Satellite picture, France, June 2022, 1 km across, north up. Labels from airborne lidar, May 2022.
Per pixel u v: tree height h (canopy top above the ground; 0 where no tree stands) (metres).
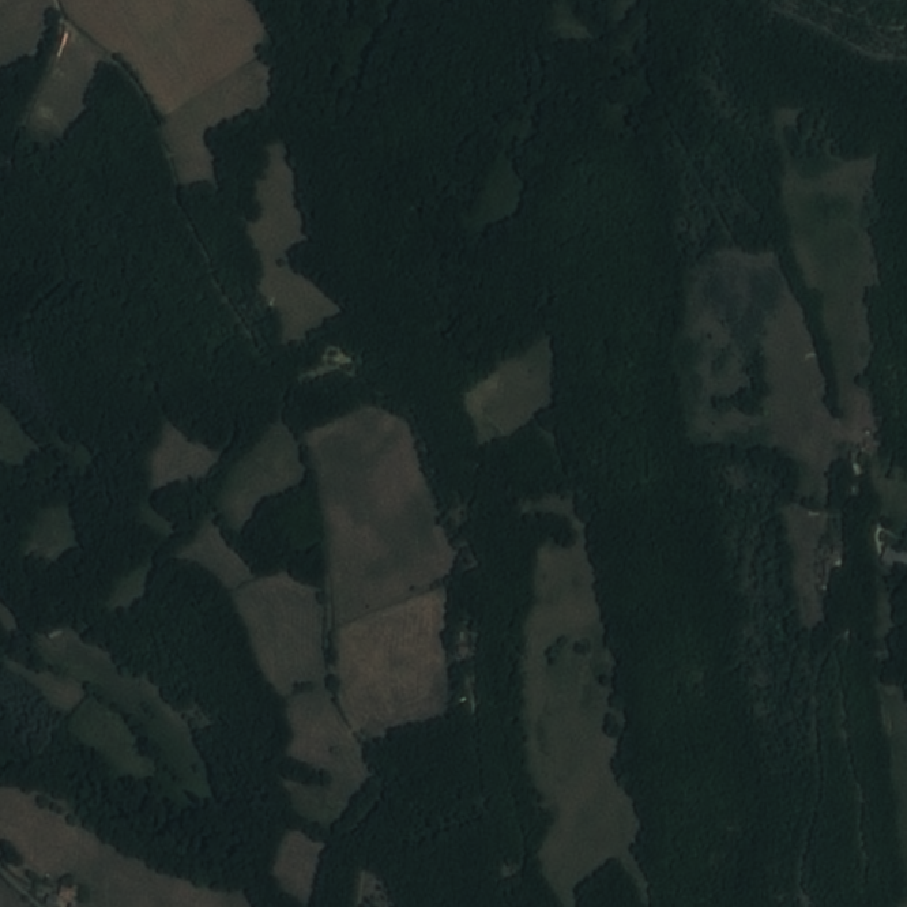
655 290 12
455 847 17
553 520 19
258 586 0
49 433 14
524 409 0
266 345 11
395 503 0
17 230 18
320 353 11
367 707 0
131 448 20
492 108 25
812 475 0
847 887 8
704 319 0
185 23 0
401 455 0
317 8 18
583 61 16
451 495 13
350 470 0
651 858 17
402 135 11
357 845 16
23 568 18
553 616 0
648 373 14
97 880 0
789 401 0
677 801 10
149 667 14
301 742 0
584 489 18
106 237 18
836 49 9
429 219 26
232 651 13
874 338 10
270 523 16
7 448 0
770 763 9
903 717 0
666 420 16
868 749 11
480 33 19
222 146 17
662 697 12
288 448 0
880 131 10
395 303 16
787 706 10
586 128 21
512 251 17
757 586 8
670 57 26
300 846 0
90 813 19
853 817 9
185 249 13
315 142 21
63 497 18
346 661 0
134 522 19
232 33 0
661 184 17
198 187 16
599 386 19
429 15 21
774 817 10
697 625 11
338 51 23
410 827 18
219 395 17
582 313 19
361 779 0
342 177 19
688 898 13
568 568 0
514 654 16
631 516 20
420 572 0
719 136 13
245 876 22
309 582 16
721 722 16
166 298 20
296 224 0
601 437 11
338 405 14
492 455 13
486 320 25
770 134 8
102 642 16
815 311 13
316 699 0
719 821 11
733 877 11
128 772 0
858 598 13
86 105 12
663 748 13
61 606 19
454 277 28
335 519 0
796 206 0
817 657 10
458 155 23
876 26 6
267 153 11
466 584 18
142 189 13
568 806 0
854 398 0
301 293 0
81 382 21
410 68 21
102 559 22
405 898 17
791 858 12
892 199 14
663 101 18
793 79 15
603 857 0
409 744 20
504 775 16
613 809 0
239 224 14
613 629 23
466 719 15
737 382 0
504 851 13
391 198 25
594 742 0
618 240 12
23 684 23
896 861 14
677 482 16
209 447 14
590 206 11
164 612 16
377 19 20
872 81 14
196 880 21
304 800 0
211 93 0
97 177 19
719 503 9
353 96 16
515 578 17
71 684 0
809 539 0
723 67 11
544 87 25
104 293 18
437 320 24
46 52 17
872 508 14
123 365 19
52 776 25
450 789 16
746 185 16
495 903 15
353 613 0
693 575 14
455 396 15
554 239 9
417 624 0
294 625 0
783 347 0
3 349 15
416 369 18
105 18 0
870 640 18
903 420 12
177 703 20
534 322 19
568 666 0
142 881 0
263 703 12
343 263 15
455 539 14
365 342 15
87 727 0
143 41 0
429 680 0
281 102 22
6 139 15
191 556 0
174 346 16
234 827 26
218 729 13
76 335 18
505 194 0
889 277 11
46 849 0
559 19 0
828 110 8
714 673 10
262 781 18
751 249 12
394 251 21
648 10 11
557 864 0
